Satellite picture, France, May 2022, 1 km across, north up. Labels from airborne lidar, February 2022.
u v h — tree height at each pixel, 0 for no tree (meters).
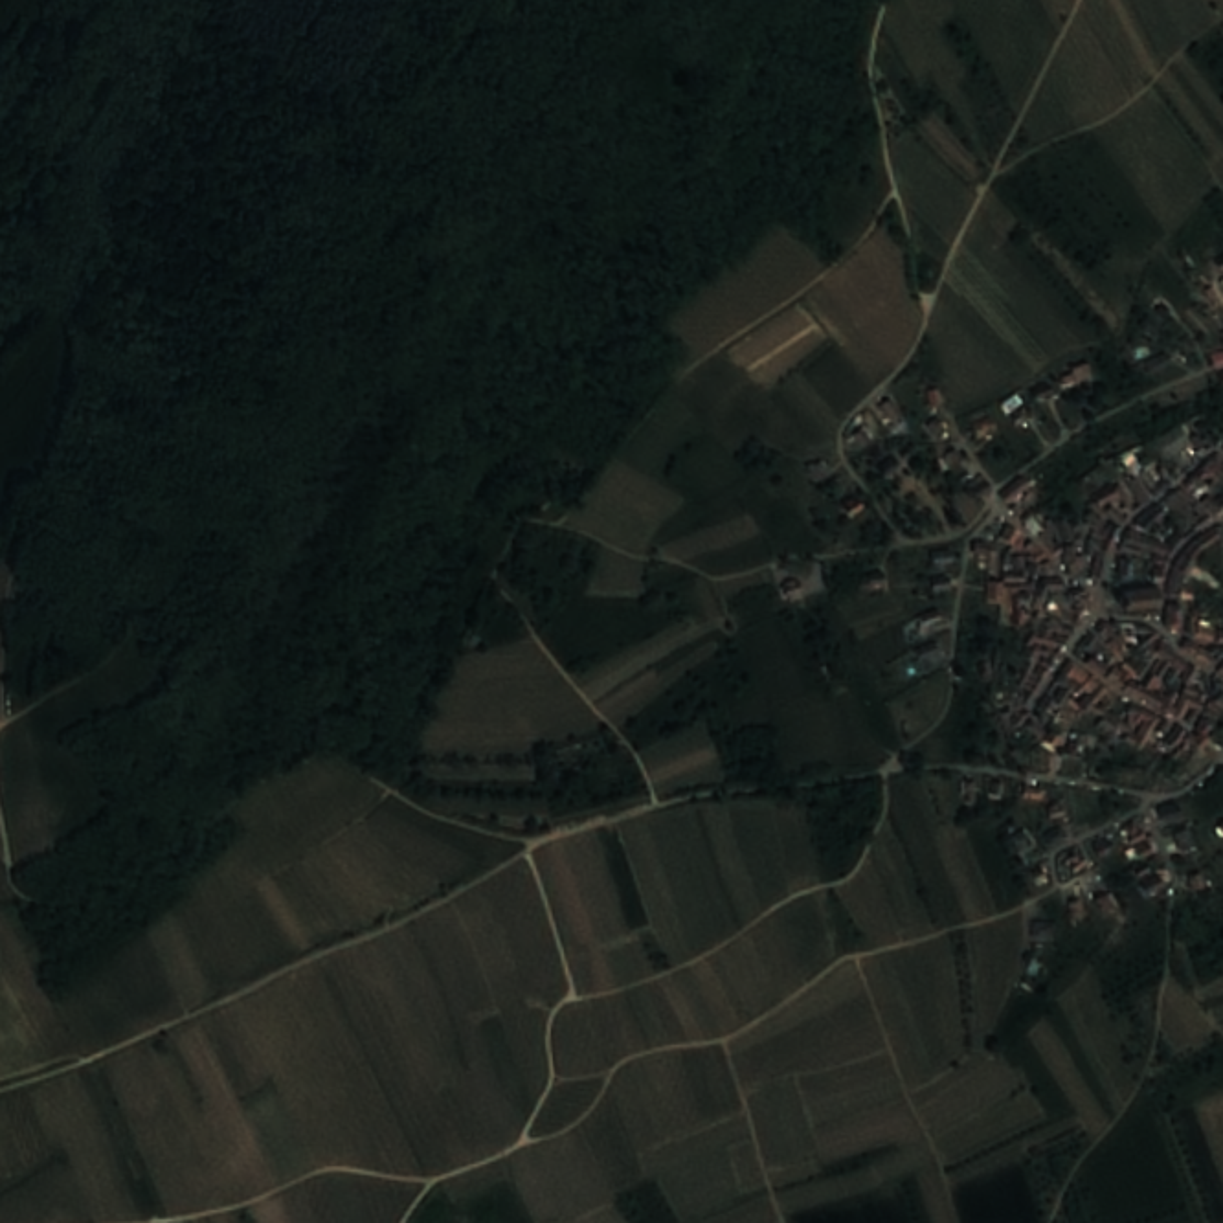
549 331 27
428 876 0
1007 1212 0
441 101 19
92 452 19
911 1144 0
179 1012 0
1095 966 0
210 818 19
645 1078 0
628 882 0
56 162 15
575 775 12
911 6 0
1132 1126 0
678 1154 0
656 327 21
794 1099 0
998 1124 0
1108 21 0
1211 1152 0
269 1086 0
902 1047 0
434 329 21
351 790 0
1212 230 0
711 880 0
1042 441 0
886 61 0
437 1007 0
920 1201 0
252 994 0
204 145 27
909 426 0
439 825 0
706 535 0
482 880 0
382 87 24
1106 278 0
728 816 0
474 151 21
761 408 0
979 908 0
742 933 0
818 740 0
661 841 0
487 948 0
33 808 0
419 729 18
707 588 0
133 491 18
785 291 0
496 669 0
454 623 22
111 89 21
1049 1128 0
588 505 0
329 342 17
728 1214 0
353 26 22
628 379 23
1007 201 0
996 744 6
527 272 22
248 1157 0
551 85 16
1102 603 0
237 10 22
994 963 0
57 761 0
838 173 15
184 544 0
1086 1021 0
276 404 15
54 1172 0
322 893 0
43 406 0
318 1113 0
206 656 11
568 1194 0
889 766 0
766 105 20
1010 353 0
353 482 16
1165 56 0
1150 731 0
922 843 0
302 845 0
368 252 18
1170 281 0
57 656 19
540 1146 0
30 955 0
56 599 18
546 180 15
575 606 0
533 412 27
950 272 0
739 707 0
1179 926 8
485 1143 0
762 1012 0
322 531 16
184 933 0
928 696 0
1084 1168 0
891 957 0
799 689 0
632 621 0
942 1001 0
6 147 23
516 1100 0
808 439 0
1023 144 9
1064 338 0
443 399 25
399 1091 0
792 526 0
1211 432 7
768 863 0
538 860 0
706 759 0
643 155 26
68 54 16
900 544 0
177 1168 0
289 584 17
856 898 0
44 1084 0
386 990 0
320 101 24
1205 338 11
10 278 13
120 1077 0
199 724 18
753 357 0
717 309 0
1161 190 0
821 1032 0
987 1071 0
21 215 20
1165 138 0
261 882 0
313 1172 0
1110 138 0
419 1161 0
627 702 0
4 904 0
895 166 0
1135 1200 0
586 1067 0
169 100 26
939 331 0
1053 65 0
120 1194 0
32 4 0
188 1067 0
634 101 25
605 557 0
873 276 0
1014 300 0
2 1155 0
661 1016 0
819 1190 0
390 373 20
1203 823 0
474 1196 0
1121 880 8
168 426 20
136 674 0
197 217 27
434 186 21
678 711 9
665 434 0
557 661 0
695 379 0
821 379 0
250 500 19
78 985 0
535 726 0
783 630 0
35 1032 0
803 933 0
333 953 0
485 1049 0
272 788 0
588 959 0
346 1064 0
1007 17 0
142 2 24
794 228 17
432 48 16
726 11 19
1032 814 0
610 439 24
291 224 18
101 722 7
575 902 0
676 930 0
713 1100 0
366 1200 0
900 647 0
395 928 0
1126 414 0
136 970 0
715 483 0
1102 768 7
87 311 24
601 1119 0
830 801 0
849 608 0
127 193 25
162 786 18
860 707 0
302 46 18
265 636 18
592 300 30
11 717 0
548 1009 0
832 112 20
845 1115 0
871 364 0
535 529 6
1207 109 0
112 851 19
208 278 26
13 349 15
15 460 0
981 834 0
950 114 6
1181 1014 0
